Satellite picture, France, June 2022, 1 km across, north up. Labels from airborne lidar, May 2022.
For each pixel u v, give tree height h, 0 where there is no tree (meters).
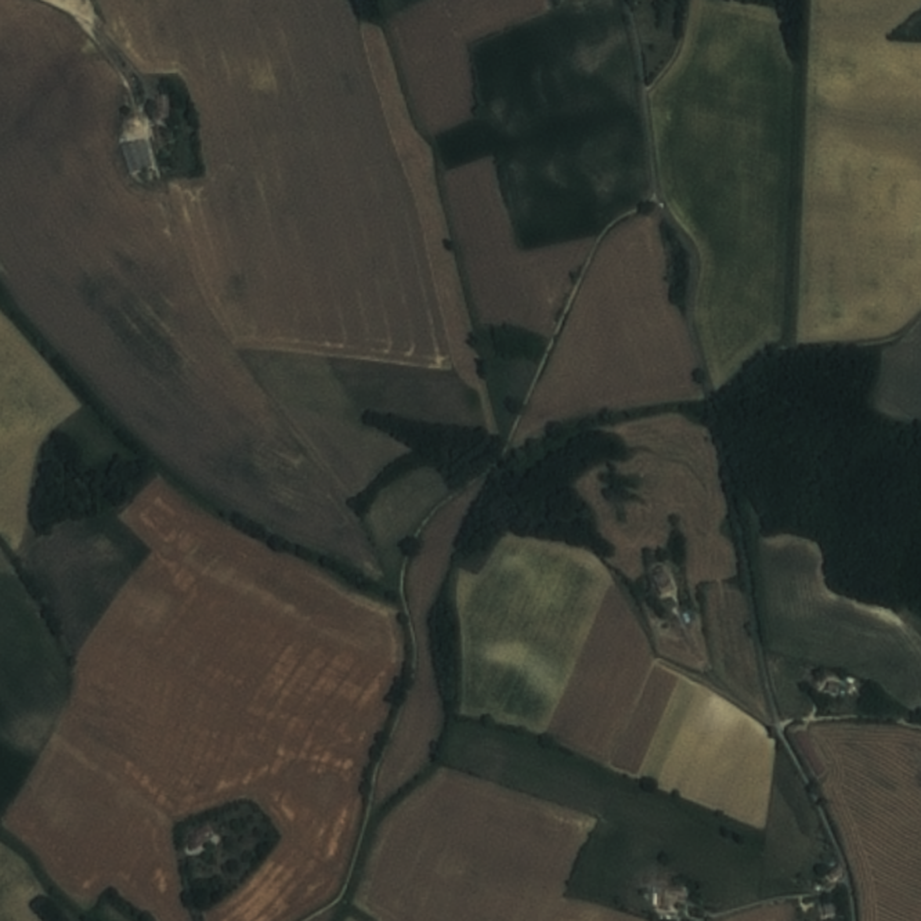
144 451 9
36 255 0
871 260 0
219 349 0
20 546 0
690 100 0
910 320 0
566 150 0
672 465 0
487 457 27
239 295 0
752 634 10
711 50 0
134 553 0
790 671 0
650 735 0
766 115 0
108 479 17
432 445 16
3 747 0
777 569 0
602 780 0
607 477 7
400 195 0
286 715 0
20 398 0
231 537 0
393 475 14
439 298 0
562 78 0
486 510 19
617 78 0
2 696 0
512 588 0
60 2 0
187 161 0
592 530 16
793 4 28
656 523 0
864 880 0
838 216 0
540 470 14
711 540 0
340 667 0
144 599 0
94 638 0
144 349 0
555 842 0
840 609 0
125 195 0
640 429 0
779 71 0
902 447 21
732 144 0
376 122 0
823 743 0
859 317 0
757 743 0
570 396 0
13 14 0
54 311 0
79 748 0
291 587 0
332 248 0
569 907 0
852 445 23
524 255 0
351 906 0
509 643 0
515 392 0
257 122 0
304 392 0
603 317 0
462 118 0
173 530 0
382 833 0
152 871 0
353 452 0
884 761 0
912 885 0
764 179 0
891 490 21
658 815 0
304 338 0
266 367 0
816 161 0
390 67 0
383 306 0
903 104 0
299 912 0
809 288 0
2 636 0
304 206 0
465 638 0
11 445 0
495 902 0
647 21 0
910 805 0
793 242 0
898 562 16
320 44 0
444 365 0
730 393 23
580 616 0
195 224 0
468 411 0
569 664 0
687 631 0
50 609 13
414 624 0
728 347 0
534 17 0
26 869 0
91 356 0
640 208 12
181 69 0
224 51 0
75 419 0
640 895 6
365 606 0
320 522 0
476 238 0
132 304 0
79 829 0
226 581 0
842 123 0
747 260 0
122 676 0
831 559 14
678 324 0
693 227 0
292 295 0
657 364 0
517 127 0
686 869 0
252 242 0
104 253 0
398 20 0
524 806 0
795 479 17
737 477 22
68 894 0
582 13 0
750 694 0
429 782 0
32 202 0
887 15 0
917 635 0
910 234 0
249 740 0
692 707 0
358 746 0
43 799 0
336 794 0
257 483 0
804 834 0
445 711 8
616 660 0
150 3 0
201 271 0
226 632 0
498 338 11
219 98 0
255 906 0
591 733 0
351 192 0
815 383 19
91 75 0
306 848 0
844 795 0
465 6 0
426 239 0
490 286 0
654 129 0
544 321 0
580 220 0
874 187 0
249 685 0
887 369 0
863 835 0
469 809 0
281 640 0
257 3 0
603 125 0
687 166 0
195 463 0
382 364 0
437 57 0
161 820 0
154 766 0
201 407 0
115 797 0
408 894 0
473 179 0
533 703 0
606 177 0
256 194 0
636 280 0
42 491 13
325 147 0
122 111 7
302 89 0
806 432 21
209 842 9
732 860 0
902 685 0
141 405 0
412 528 0
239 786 0
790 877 0
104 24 0
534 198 0
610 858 0
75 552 0
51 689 0
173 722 0
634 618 0
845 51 0
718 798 0
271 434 0
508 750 0
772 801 0
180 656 0
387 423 16
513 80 0
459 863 0
